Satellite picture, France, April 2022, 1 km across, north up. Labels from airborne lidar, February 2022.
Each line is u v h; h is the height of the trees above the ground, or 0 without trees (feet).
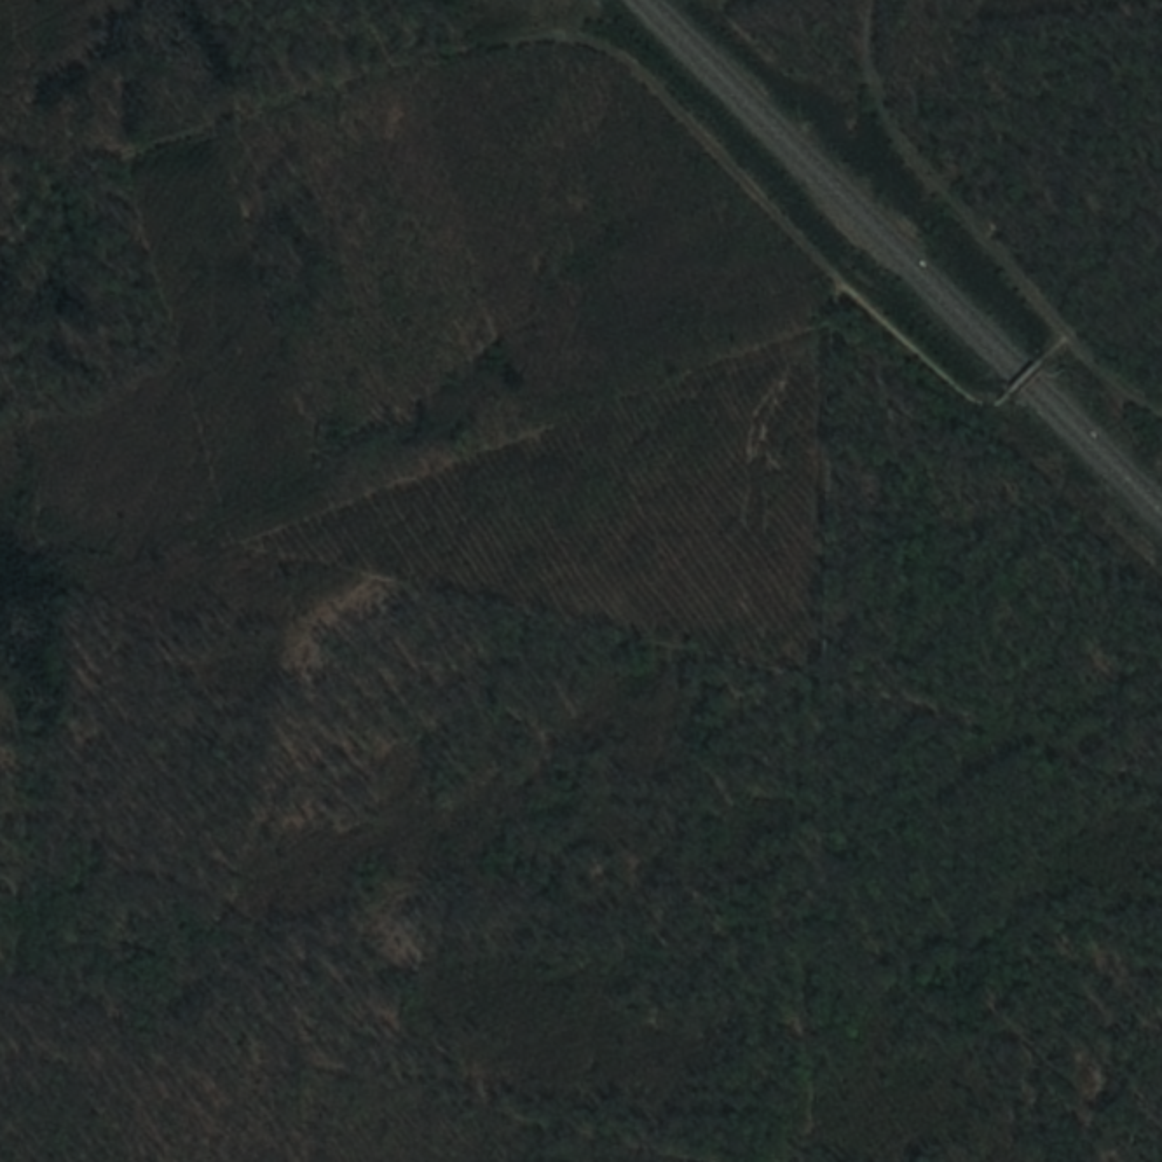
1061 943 76
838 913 105
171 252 30
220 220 28
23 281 97
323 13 88
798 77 74
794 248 41
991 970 87
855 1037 92
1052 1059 94
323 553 22
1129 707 95
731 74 0
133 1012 64
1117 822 38
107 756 81
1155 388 87
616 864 106
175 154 26
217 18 94
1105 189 93
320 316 76
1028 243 87
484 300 59
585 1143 97
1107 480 0
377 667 104
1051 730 98
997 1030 94
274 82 93
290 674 0
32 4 19
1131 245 97
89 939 83
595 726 43
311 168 75
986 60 95
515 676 104
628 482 25
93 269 99
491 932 108
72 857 77
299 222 82
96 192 94
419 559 19
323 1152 81
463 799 108
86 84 60
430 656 110
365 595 0
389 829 31
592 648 92
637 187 44
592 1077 33
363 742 114
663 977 106
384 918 0
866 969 100
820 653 0
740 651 0
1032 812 104
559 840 106
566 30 0
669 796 102
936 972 98
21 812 89
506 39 0
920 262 0
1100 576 100
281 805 70
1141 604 99
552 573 26
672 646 0
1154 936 88
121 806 92
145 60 72
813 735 104
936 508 102
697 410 25
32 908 82
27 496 36
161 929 78
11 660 43
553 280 55
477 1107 80
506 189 39
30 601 66
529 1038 39
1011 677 102
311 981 108
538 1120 92
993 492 104
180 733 94
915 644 95
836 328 98
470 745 115
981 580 99
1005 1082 92
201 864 94
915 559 105
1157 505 0
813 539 0
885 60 80
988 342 0
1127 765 91
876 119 20
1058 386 0
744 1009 107
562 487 39
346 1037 96
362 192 59
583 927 109
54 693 68
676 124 42
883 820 105
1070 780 112
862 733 106
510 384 59
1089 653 101
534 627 95
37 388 99
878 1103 36
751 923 104
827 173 0
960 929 90
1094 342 77
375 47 83
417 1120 0
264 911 40
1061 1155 80
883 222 0
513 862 95
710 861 94
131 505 0
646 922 93
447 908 104
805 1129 57
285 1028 92
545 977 28
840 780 106
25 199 96
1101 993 92
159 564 61
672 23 0
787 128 0
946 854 101
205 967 95
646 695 41
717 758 102
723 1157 96
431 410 57
